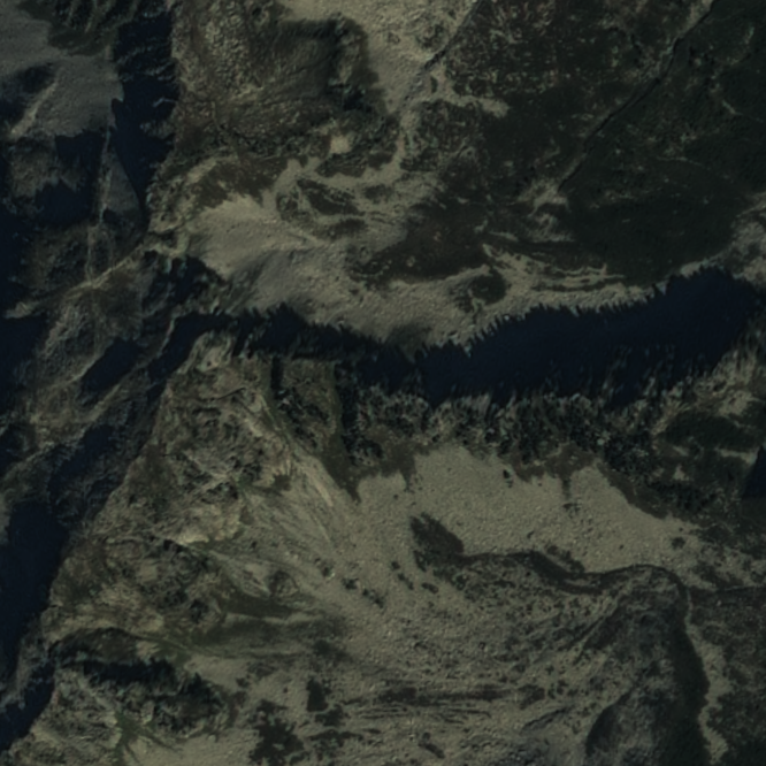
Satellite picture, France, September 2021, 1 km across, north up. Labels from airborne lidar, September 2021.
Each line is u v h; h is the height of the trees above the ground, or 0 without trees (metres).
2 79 0
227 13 0
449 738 0
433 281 0
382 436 0
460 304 0
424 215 0
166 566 0
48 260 0
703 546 0
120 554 0
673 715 0
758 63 0
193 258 0
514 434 10
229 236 0
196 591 0
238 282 0
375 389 7
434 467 0
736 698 0
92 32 0
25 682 0
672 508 0
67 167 0
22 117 0
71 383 0
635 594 0
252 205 0
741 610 0
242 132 0
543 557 0
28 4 0
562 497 0
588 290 0
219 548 0
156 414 0
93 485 0
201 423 0
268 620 0
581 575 0
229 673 0
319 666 0
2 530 0
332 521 0
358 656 0
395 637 0
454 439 0
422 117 0
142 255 0
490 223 0
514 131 0
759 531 0
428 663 0
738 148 0
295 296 0
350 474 0
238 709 0
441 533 0
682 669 0
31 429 0
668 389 7
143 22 10
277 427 0
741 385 0
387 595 0
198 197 0
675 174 0
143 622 0
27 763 0
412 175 0
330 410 0
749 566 0
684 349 7
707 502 8
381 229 0
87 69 0
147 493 0
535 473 0
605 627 0
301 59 0
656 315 0
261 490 0
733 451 0
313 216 0
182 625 0
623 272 0
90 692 0
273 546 0
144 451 0
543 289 0
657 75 0
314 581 0
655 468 10
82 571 0
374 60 0
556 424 14
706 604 0
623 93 0
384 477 0
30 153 0
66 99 0
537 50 0
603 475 0
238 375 0
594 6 0
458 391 9
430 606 0
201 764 0
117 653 0
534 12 0
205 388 0
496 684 0
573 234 0
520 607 0
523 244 0
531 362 8
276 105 0
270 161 0
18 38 0
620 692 0
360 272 0
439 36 0
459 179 0
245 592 0
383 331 0
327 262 0
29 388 0
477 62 0
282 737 0
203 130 0
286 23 0
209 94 0
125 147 0
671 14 0
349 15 0
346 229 0
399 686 0
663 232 0
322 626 0
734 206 0
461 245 0
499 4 0
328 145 0
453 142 0
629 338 0
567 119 0
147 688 11
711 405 0
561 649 0
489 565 0
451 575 0
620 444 6
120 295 0
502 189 0
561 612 0
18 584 0
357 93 0
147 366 0
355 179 0
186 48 0
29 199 0
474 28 0
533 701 0
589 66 0
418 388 14
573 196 0
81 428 0
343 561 0
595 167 0
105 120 0
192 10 0
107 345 0
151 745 0
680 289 0
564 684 0
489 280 0
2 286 8
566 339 0
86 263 0
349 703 0
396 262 0
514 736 0
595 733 0
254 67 0
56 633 0
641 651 0
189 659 0
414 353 0
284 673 0
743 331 8
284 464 0
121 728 0
